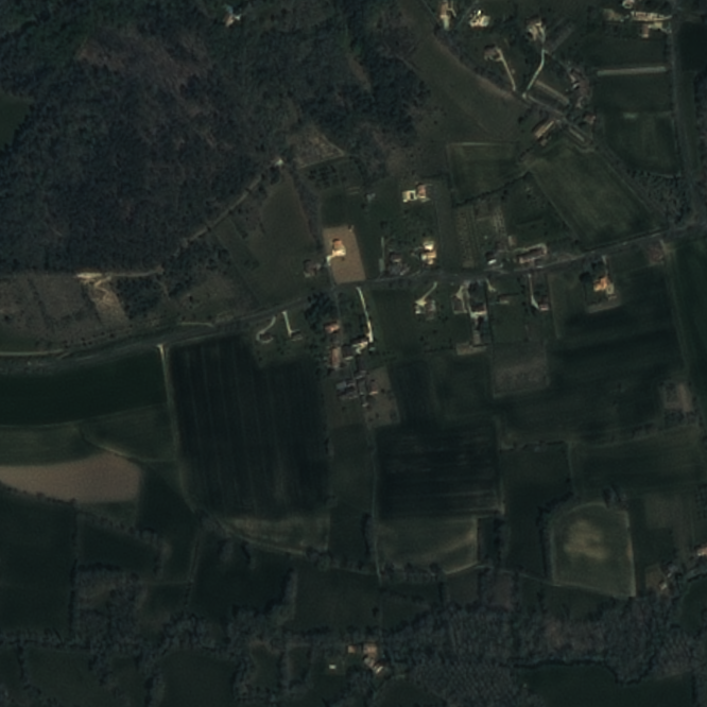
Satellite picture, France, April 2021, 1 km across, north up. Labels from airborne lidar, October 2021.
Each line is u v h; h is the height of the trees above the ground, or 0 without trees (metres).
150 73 17
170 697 0
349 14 14
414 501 0
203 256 16
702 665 13
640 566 0
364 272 0
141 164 25
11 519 0
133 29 17
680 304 0
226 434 0
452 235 0
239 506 0
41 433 0
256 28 17
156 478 0
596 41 0
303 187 16
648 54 0
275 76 17
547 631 8
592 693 0
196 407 0
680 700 0
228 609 0
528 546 0
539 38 10
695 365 0
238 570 0
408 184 0
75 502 10
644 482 0
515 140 0
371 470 0
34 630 0
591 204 0
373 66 14
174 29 28
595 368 0
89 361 0
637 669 7
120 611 13
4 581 0
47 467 0
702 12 15
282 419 0
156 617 0
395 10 17
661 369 0
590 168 0
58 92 19
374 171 14
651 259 0
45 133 8
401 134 11
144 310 10
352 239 0
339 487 0
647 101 0
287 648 16
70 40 14
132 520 0
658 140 0
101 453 0
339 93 9
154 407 0
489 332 8
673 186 10
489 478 0
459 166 0
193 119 19
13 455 0
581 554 0
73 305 0
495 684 35
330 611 0
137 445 0
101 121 19
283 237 0
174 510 0
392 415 6
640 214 0
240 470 0
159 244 21
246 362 0
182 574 0
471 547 0
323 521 0
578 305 0
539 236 0
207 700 0
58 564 0
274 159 13
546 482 0
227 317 0
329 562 12
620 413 0
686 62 0
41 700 13
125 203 23
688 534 0
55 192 19
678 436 0
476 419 0
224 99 26
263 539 0
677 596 20
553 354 0
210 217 22
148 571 0
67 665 0
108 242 24
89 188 23
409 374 0
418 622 10
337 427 0
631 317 0
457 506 0
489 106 0
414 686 15
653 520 0
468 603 0
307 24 21
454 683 31
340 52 21
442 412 0
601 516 0
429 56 0
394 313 0
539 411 0
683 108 0
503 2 0
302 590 0
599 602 0
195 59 18
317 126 14
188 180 16
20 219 19
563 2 0
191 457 0
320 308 13
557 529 0
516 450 10
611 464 0
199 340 0
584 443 0
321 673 0
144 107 24
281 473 0
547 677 0
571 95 8
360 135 9
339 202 0
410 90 21
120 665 0
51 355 7
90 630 21
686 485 0
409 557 0
